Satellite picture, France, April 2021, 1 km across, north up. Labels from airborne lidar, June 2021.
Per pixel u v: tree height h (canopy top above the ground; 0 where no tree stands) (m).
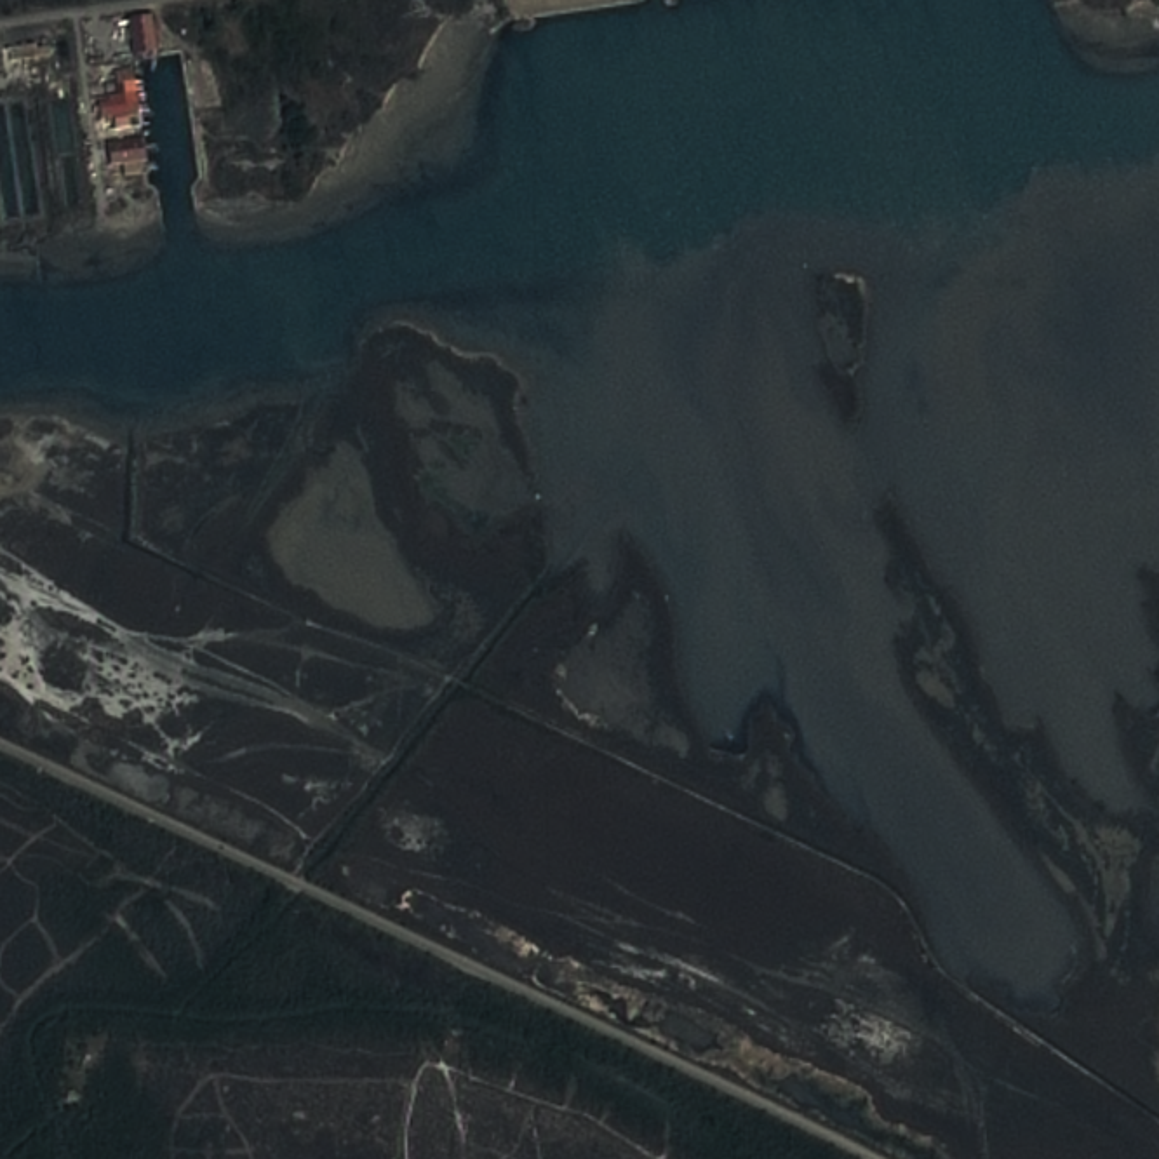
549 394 0
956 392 0
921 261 0
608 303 0
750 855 0
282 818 0
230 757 0
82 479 0
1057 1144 0
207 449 0
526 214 0
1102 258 0
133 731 0
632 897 0
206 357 0
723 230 0
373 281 0
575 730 0
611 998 0
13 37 0
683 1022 0
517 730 0
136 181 0
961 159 0
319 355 0
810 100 0
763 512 0
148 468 0
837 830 0
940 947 0
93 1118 7
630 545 0
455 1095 0
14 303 0
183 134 0
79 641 0
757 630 0
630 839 0
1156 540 0
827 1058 0
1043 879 0
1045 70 0
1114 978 0
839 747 0
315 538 0
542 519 0
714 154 0
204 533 0
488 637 0
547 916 0
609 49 0
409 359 0
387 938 7
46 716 0
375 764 0
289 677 0
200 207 0
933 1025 0
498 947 0
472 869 0
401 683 0
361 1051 0
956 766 0
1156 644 0
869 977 0
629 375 0
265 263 0
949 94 0
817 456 0
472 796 0
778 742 0
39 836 0
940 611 0
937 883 0
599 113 0
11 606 0
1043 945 0
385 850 0
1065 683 0
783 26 0
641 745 0
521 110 0
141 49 0
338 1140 0
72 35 0
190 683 0
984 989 0
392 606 0
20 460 0
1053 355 0
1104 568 0
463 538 0
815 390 0
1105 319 0
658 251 0
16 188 0
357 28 0
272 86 0
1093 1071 0
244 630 0
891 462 0
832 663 0
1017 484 0
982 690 0
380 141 0
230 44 0
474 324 0
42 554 0
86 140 0
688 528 0
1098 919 0
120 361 0
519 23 0
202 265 0
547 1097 0
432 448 0
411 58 0
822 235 0
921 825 0
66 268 0
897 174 0
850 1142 0
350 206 0
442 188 0
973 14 0
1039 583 0
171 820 0
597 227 0
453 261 0
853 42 0
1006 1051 0
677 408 0
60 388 0
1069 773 0
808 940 0
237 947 7
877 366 0
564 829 0
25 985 0
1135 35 0
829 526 0
